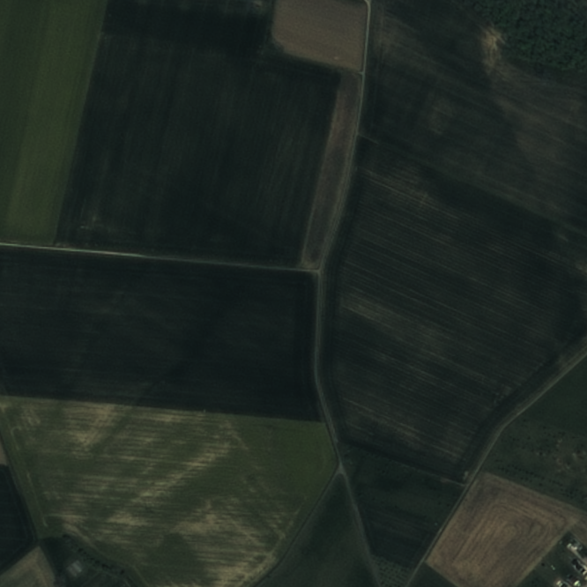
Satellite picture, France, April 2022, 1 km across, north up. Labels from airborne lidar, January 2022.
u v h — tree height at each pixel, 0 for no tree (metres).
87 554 8
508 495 0
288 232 0
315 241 0
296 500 0
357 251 0
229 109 0
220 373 0
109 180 0
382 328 0
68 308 0
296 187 0
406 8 0
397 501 0
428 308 0
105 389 0
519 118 0
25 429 0
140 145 0
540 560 0
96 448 0
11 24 0
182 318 0
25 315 0
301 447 0
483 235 0
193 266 0
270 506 0
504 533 0
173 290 0
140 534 0
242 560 0
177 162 0
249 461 0
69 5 0
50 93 0
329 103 0
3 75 0
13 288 0
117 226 0
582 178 0
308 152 0
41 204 0
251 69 0
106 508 0
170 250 0
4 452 0
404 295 0
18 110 0
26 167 0
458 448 0
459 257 0
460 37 0
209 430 0
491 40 0
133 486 0
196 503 0
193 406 0
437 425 0
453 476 0
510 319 0
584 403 0
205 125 0
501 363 0
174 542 0
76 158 0
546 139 0
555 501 0
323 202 0
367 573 0
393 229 0
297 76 0
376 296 0
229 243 0
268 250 0
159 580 0
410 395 0
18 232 0
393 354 0
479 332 0
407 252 0
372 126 0
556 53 20
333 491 0
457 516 0
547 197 0
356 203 0
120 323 0
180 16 0
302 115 0
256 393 0
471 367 0
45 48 0
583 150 0
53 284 0
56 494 0
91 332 0
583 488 0
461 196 0
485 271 0
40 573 0
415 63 0
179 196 0
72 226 0
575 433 0
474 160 0
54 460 0
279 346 0
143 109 0
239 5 0
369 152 0
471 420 0
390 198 0
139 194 0
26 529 0
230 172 0
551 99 0
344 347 0
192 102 0
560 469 0
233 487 0
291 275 0
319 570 0
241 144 0
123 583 0
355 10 0
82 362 0
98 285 0
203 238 0
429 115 0
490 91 0
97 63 0
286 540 0
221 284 0
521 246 0
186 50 0
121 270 0
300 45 0
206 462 0
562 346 0
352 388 0
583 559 0
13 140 0
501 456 0
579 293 0
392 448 0
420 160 0
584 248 0
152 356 0
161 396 0
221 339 0
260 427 0
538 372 0
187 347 0
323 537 0
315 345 0
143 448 0
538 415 0
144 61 0
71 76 0
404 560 0
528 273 0
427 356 0
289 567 0
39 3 0
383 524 0
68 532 0
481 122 0
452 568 0
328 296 0
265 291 0
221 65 0
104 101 0
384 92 0
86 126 0
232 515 0
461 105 0
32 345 0
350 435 0
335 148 0
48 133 0
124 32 0
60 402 0
